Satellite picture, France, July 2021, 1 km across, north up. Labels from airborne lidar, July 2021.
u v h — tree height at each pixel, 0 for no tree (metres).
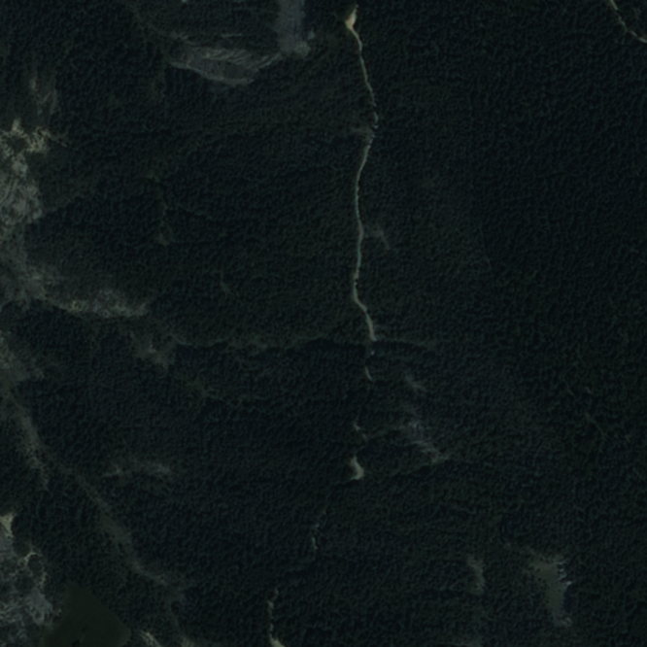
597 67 28
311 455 21
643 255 21
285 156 7
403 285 11
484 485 12
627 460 32
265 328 11
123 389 17
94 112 20
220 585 14
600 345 13
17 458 15
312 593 8
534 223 25
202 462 16
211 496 16
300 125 17
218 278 11
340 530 11
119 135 15
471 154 18
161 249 20
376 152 11
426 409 11
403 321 18
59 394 11
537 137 33
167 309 12
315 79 7
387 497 10
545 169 25
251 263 16
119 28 20
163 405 22
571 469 14
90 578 8
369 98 11
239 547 28
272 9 8
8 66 7
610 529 20
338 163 10
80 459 22
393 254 7
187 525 21
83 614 0
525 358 11
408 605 9
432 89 9
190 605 7
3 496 8
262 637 16
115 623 0
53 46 23
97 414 15
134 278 8
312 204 16
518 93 20
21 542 6
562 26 23
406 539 11
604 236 21
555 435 10
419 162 18
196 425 23
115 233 30
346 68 12
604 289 24
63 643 0
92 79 26
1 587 9
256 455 20
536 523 15
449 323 19
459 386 10
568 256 21
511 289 12
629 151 23
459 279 10
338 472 23
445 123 12
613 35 29
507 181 18
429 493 11
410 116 14
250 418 14
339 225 8
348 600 11
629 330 12
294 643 21
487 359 11
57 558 15
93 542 16
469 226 8
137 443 15
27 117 11
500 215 30
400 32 18
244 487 23
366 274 9
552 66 19
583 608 15
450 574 12
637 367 17
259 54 6
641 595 11
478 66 21
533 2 10
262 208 18
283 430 23
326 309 10
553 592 0
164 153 15
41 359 8
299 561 24
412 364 8
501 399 6
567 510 7
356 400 23
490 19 28
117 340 16
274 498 16
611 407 13
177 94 21
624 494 14
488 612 8
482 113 20
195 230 21
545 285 17
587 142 29
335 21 16
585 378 13
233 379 15
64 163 7
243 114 9
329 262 7
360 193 6
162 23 8
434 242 14
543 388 22
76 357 25
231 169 17
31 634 7
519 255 23
